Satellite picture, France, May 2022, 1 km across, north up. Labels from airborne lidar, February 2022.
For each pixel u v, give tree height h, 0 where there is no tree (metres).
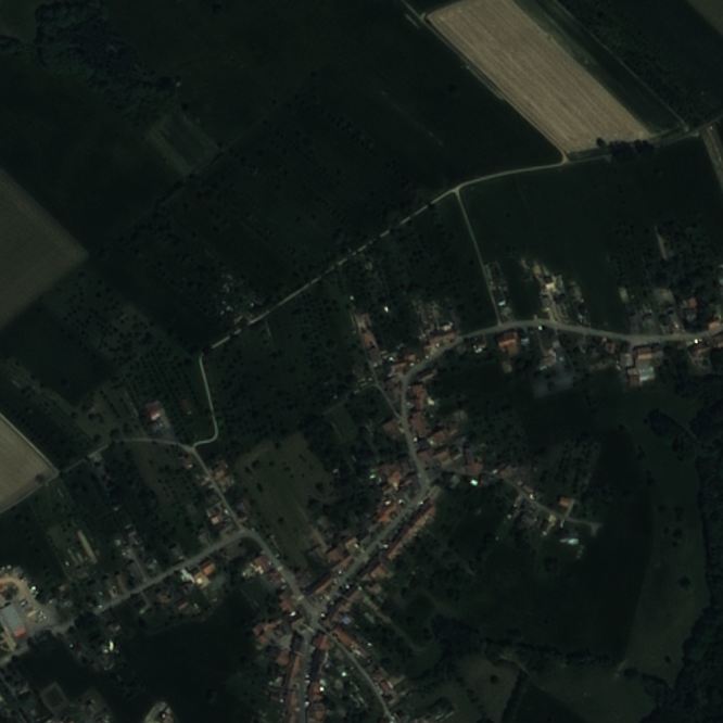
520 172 0
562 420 0
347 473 8
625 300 0
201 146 0
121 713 0
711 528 24
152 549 6
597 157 0
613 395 0
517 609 0
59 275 0
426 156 0
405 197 0
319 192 0
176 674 0
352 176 0
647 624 0
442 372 8
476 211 0
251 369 0
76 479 0
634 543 0
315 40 0
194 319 0
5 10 0
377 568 0
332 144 0
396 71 0
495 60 0
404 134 0
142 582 0
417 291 15
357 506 8
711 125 0
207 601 0
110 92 18
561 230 0
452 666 13
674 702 23
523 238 0
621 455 0
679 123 0
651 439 0
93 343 0
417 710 0
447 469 0
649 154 20
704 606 0
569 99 0
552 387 11
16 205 0
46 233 0
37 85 0
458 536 0
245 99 0
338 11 0
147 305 0
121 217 0
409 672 0
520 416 0
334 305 7
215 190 9
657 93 7
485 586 0
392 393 0
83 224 0
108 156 0
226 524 0
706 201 0
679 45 0
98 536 0
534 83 0
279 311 0
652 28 0
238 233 0
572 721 0
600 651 0
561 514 0
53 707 0
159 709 0
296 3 0
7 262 0
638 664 0
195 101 0
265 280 0
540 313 0
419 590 11
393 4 0
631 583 0
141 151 0
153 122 0
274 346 0
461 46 0
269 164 0
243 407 0
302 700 0
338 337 0
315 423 20
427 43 0
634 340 0
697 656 26
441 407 0
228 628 0
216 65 0
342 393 11
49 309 0
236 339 12
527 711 0
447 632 31
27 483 0
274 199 0
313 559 0
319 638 0
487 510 0
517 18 0
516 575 0
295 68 0
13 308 0
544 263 0
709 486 22
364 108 0
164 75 0
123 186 0
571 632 0
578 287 0
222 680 0
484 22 0
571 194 0
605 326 0
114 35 11
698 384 12
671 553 0
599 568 0
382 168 0
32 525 0
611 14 0
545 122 0
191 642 0
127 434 8
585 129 0
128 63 14
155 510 7
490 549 8
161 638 0
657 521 0
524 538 15
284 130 0
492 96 0
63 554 0
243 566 10
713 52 0
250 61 0
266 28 0
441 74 0
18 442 0
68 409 0
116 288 0
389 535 0
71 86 0
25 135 0
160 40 0
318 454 10
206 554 0
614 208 0
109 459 0
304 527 0
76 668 0
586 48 0
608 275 0
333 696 0
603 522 0
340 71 0
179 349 0
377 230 0
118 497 17
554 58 0
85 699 0
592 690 0
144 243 0
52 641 23
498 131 0
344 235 8
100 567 0
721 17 0
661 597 0
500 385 0
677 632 0
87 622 16
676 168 0
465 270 0
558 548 0
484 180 0
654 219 0
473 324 0
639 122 0
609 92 0
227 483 0
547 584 0
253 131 0
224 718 0
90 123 0
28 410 6
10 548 0
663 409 0
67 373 0
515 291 0
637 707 0
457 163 0
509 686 0
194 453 0
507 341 0
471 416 0
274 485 0
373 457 11
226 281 0
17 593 0
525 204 0
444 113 0
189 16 0
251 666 9
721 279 0
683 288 17
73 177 0
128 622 0
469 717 0
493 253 0
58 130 0
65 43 20
